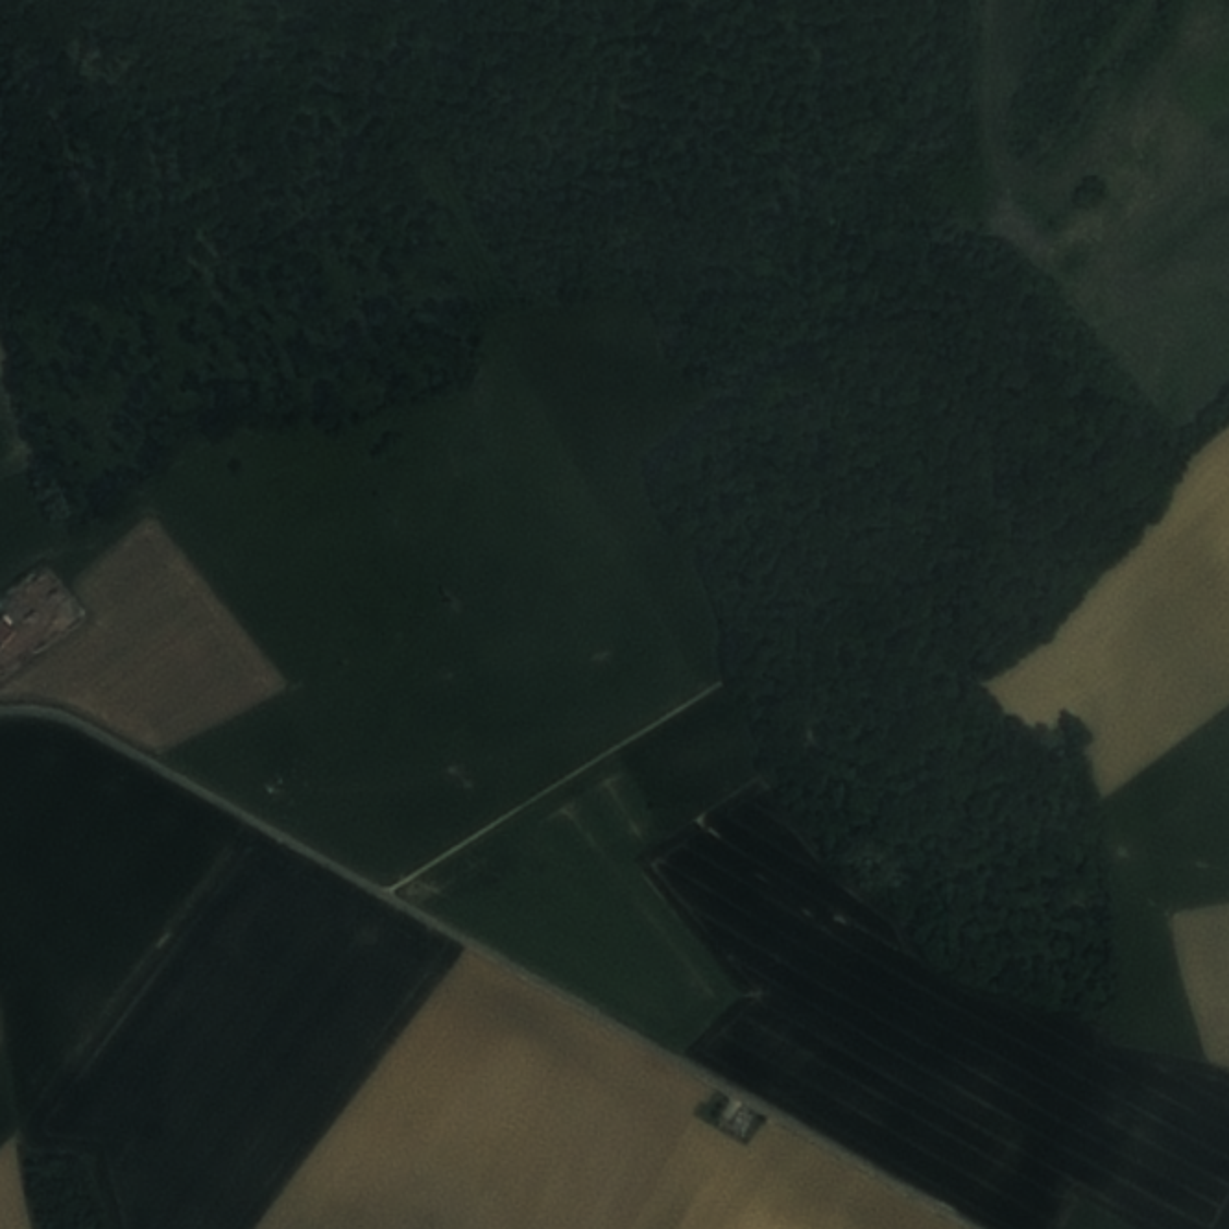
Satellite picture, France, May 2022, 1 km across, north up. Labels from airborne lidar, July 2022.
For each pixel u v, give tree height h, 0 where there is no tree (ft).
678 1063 0
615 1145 0
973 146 28
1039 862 94
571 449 0
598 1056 0
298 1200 0
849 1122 0
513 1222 0
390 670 0
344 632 0
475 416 0
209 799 0
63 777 0
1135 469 74
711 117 86
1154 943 0
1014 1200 0
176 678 0
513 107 89
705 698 0
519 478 0
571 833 0
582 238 73
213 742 0
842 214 61
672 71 72
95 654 0
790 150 53
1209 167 0
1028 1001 56
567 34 81
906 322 71
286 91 79
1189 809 0
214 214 77
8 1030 0
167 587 0
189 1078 0
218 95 42
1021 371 86
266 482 0
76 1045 0
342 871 0
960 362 76
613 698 0
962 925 60
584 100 64
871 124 42
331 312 88
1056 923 66
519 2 86
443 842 0
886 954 0
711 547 65
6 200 77
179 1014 0
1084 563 71
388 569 0
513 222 89
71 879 0
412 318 22
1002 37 0
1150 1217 0
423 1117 0
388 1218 0
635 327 0
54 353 0
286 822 0
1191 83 0
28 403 70
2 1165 0
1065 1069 0
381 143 81
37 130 90
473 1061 0
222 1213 0
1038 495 79
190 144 84
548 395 0
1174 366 0
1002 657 78
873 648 87
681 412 0
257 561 0
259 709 0
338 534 0
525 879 0
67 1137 0
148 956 0
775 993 0
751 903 0
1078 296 0
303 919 0
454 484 0
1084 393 73
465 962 0
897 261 71
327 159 94
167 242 84
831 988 0
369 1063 0
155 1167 0
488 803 0
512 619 0
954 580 80
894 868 61
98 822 0
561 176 84
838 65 74
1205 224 0
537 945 0
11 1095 0
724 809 0
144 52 50
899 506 73
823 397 71
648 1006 0
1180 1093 0
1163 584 0
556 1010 0
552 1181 0
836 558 90
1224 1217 0
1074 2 20
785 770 79
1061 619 53
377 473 0
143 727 0
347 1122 0
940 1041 0
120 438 75
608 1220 0
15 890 0
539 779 0
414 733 0
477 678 0
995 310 79
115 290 86
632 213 73
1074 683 0
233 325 99
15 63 76
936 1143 0
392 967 0
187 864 0
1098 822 54
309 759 0
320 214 93
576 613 0
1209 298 0
